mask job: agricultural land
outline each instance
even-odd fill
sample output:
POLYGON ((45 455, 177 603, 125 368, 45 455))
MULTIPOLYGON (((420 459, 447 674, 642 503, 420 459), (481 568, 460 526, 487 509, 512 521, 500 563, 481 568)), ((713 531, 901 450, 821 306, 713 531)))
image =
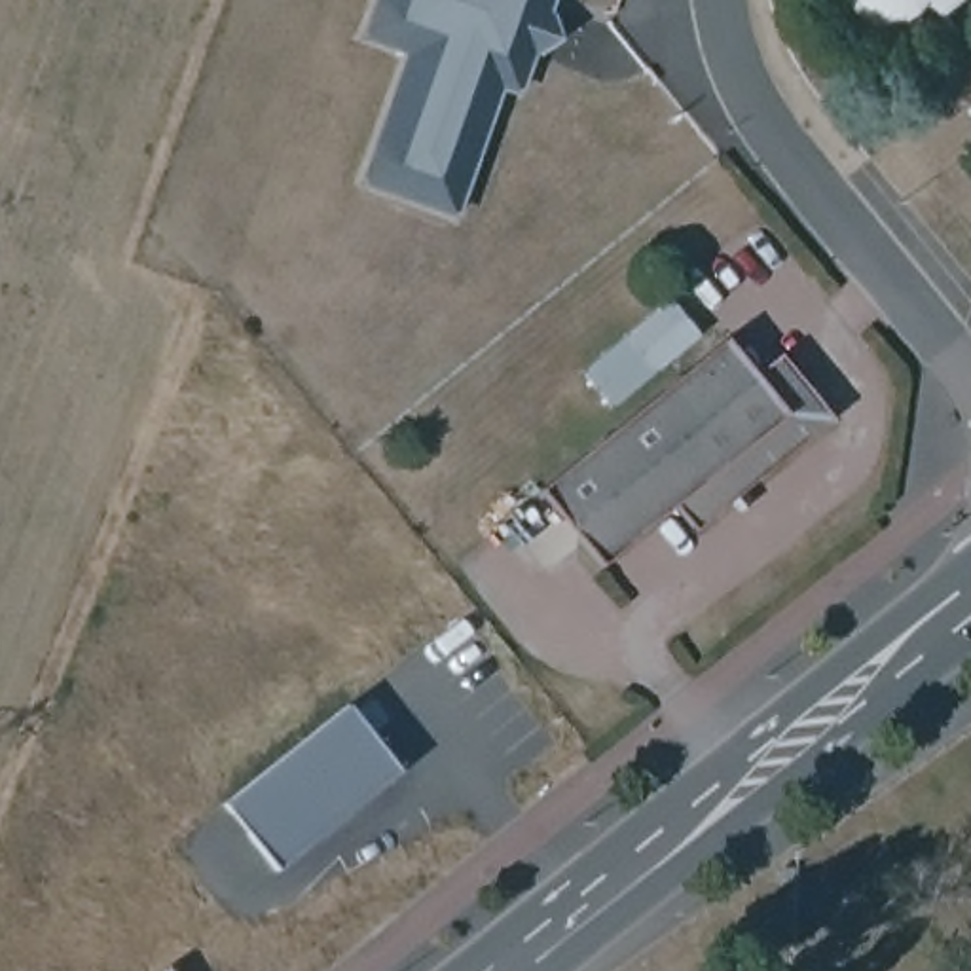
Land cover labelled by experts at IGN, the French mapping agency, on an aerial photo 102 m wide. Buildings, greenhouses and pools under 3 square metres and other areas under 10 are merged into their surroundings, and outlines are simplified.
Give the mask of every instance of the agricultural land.
POLYGON ((133 254, 167 156, 174 152, 171 144, 178 137, 224 0, 0 0, 0 698, 8 705, 34 705, 46 694, 57 694, 72 649, 87 626, 87 614, 106 584, 110 561, 125 558, 133 546, 129 508, 140 493, 152 440, 163 429, 163 413, 178 398, 178 387, 205 338, 205 292, 137 266, 133 254))

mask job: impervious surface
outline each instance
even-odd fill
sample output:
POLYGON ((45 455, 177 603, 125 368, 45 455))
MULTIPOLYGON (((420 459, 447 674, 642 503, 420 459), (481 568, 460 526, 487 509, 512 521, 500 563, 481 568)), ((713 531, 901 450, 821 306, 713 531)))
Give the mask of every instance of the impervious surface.
POLYGON ((660 368, 679 360, 698 341, 698 330, 713 326, 713 319, 728 330, 740 330, 740 341, 755 364, 774 360, 778 353, 797 360, 797 368, 819 387, 827 406, 842 413, 842 429, 834 436, 815 440, 812 448, 804 448, 804 440, 785 448, 747 486, 747 497, 732 501, 732 512, 721 516, 721 523, 705 527, 705 516, 683 512, 675 523, 660 523, 630 554, 622 554, 622 565, 622 573, 637 588, 633 603, 614 603, 599 588, 603 569, 603 558, 569 523, 573 501, 554 478, 539 478, 535 493, 516 486, 508 497, 501 497, 478 520, 482 554, 474 554, 463 569, 531 656, 569 675, 626 687, 633 690, 633 698, 652 705, 649 721, 626 740, 618 740, 607 755, 588 759, 584 770, 577 770, 558 789, 539 785, 520 808, 512 808, 508 778, 550 747, 550 736, 527 721, 516 694, 501 679, 497 660, 478 660, 470 622, 451 622, 436 641, 425 645, 417 660, 402 660, 383 683, 357 694, 357 705, 391 743, 391 751, 406 762, 402 778, 387 785, 372 804, 364 804, 326 842, 319 842, 307 857, 300 857, 296 869, 269 872, 224 812, 193 827, 186 838, 178 838, 174 850, 209 884, 224 914, 250 925, 262 925, 266 914, 281 910, 277 903, 292 903, 303 888, 319 895, 330 880, 349 880, 345 869, 353 869, 357 861, 372 861, 376 850, 387 853, 440 827, 478 831, 478 850, 467 865, 459 865, 436 888, 425 888, 421 899, 376 941, 368 941, 357 956, 341 952, 330 963, 330 971, 618 971, 630 960, 637 960, 649 944, 664 941, 671 929, 687 925, 698 910, 698 899, 690 899, 687 876, 702 865, 721 861, 724 872, 736 872, 743 880, 740 888, 751 899, 762 899, 789 884, 804 861, 800 842, 785 842, 770 831, 781 793, 804 789, 812 797, 823 797, 834 808, 834 815, 842 815, 869 797, 876 770, 869 759, 869 736, 876 724, 910 728, 914 743, 922 747, 937 743, 941 732, 952 743, 971 736, 971 281, 956 269, 944 247, 929 235, 929 228, 918 224, 918 216, 899 201, 888 178, 865 163, 865 152, 838 133, 831 114, 823 110, 815 76, 800 64, 793 46, 781 42, 774 23, 774 0, 622 0, 614 23, 607 27, 588 19, 577 30, 565 30, 561 11, 550 11, 550 23, 542 27, 550 34, 565 34, 565 46, 554 53, 561 68, 595 80, 622 80, 649 64, 671 87, 679 106, 694 114, 698 125, 713 137, 721 156, 728 148, 740 148, 842 269, 846 284, 834 288, 827 273, 808 273, 797 258, 785 258, 781 243, 770 231, 762 231, 747 231, 751 247, 743 247, 740 254, 717 250, 717 273, 709 273, 702 284, 683 277, 679 303, 652 311, 584 372, 588 387, 599 394, 599 406, 626 402, 660 368), (683 626, 698 618, 713 599, 721 599, 732 584, 762 569, 804 542, 804 535, 823 512, 831 512, 853 489, 861 489, 876 470, 880 474, 895 387, 876 349, 865 341, 865 326, 872 326, 872 334, 880 334, 910 372, 907 436, 895 486, 899 504, 891 512, 891 523, 846 565, 838 565, 827 580, 819 580, 804 599, 770 618, 759 633, 751 633, 740 649, 732 649, 721 664, 705 668, 702 675, 687 675, 668 652, 668 641, 683 633, 683 626), (607 804, 611 778, 630 762, 633 770, 656 774, 660 789, 652 789, 641 808, 614 808, 607 804))

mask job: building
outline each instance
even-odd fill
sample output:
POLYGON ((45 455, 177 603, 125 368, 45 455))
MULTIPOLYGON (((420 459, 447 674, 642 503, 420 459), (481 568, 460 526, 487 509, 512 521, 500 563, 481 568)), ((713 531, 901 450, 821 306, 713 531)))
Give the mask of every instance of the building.
POLYGON ((307 857, 319 842, 326 842, 364 804, 372 804, 387 785, 402 778, 406 762, 391 751, 391 743, 357 705, 341 705, 334 717, 326 717, 307 740, 300 740, 273 766, 250 778, 231 800, 224 800, 224 812, 269 872, 296 869, 300 857, 307 857))
POLYGON ((554 53, 565 46, 565 34, 550 34, 542 27, 550 23, 550 11, 561 11, 561 0, 379 0, 368 34, 376 42, 402 49, 406 72, 398 80, 387 125, 379 133, 368 182, 432 209, 463 205, 467 178, 478 159, 497 95, 520 95, 535 49, 554 53))
POLYGON ((861 11, 876 11, 884 19, 918 19, 922 11, 960 8, 963 0, 857 0, 861 11))
POLYGON ((573 459, 554 478, 573 501, 569 523, 603 558, 603 569, 622 565, 622 554, 630 554, 660 523, 675 523, 683 512, 705 516, 705 527, 721 523, 721 516, 732 512, 732 501, 747 497, 747 486, 785 448, 804 440, 804 448, 812 448, 815 440, 834 436, 842 429, 842 413, 827 406, 819 387, 797 368, 797 360, 778 353, 774 360, 755 364, 740 341, 728 353, 713 349, 709 357, 702 357, 694 364, 694 376, 671 387, 645 413, 645 421, 633 417, 618 425, 592 455, 573 459))

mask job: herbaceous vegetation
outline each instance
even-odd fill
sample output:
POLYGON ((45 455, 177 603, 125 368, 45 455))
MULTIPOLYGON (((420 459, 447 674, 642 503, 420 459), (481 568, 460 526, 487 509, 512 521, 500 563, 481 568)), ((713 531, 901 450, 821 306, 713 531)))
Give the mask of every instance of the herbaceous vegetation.
POLYGON ((683 626, 683 633, 690 633, 698 645, 724 637, 736 618, 743 618, 770 592, 778 592, 778 580, 766 580, 762 569, 732 584, 721 599, 713 599, 698 618, 683 626))
POLYGON ((561 0, 561 11, 565 30, 577 30, 588 19, 607 27, 614 23, 622 0, 561 0))
POLYGON ((671 929, 664 941, 649 944, 637 960, 630 960, 618 971, 702 971, 709 944, 732 922, 743 922, 743 929, 762 948, 781 948, 781 960, 789 960, 793 971, 971 971, 971 736, 952 743, 941 732, 937 743, 922 747, 907 766, 888 774, 876 770, 869 797, 842 815, 831 831, 815 834, 812 842, 800 842, 804 861, 789 884, 762 899, 751 899, 740 888, 717 903, 698 899, 698 910, 687 925, 671 929))
POLYGON ((956 269, 971 281, 971 76, 941 76, 933 68, 922 68, 910 83, 922 106, 937 114, 937 121, 925 133, 895 137, 865 152, 865 163, 888 178, 899 201, 918 216, 918 224, 929 228, 929 235, 944 247, 956 269))
POLYGON ((398 80, 406 72, 402 49, 376 42, 368 34, 379 0, 224 0, 178 137, 171 144, 174 152, 167 156, 133 254, 137 266, 205 292, 205 338, 178 387, 178 398, 163 413, 163 429, 152 440, 140 493, 129 508, 133 546, 125 558, 110 561, 106 584, 87 614, 87 626, 72 649, 57 694, 46 694, 34 705, 8 705, 0 698, 0 971, 330 971, 330 963, 341 952, 357 956, 368 941, 376 941, 421 899, 425 888, 436 888, 459 865, 467 865, 478 850, 478 831, 440 827, 387 853, 376 850, 372 861, 357 861, 353 869, 345 869, 349 880, 330 880, 319 895, 303 888, 292 903, 277 903, 281 910, 266 914, 262 925, 250 925, 224 914, 209 884, 174 850, 178 838, 186 838, 193 827, 224 812, 224 800, 231 800, 250 778, 273 766, 300 740, 307 740, 326 717, 334 717, 341 705, 357 705, 357 694, 383 683, 402 660, 417 660, 425 645, 436 641, 451 622, 470 622, 478 660, 497 660, 501 679, 516 694, 527 721, 550 736, 550 747, 508 778, 512 808, 520 808, 539 785, 558 789, 577 770, 584 770, 588 759, 584 743, 626 713, 626 687, 569 675, 531 656, 463 569, 474 554, 482 554, 478 520, 501 497, 508 497, 516 486, 535 493, 539 478, 554 478, 573 459, 592 455, 618 425, 633 417, 645 421, 645 413, 671 387, 694 376, 694 364, 702 357, 709 357, 713 349, 728 353, 740 341, 740 330, 728 330, 713 319, 713 326, 698 330, 698 341, 679 360, 660 368, 626 402, 599 406, 599 394, 588 387, 584 372, 652 311, 630 292, 630 258, 649 239, 656 239, 656 247, 679 250, 683 277, 702 284, 709 273, 717 273, 717 250, 740 254, 743 247, 751 247, 747 231, 762 231, 759 201, 740 186, 740 171, 721 163, 721 156, 713 137, 698 125, 694 114, 679 106, 671 87, 649 64, 622 80, 595 80, 561 68, 554 53, 535 49, 520 95, 497 95, 478 159, 467 178, 463 205, 432 209, 368 182, 379 133, 387 125, 398 80), (417 470, 394 467, 383 451, 383 440, 398 421, 421 413, 440 413, 448 421, 440 451, 417 470))
POLYGON ((819 539, 842 539, 869 512, 880 474, 876 470, 861 489, 853 489, 831 512, 823 512, 804 535, 804 542, 812 546, 819 539))
POLYGON ((967 27, 967 11, 960 8, 922 11, 918 19, 937 42, 944 42, 948 34, 967 27))

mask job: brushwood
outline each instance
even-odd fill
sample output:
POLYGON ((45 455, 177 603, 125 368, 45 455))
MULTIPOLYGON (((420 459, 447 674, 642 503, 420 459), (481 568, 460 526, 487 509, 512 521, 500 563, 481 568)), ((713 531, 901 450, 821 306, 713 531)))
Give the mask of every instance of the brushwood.
POLYGON ((827 273, 834 288, 846 284, 842 269, 740 148, 728 148, 721 156, 721 163, 740 171, 740 186, 759 201, 762 231, 770 231, 781 243, 785 258, 797 258, 808 273, 827 273))
POLYGON ((633 698, 633 690, 626 687, 626 713, 584 743, 588 759, 607 755, 618 740, 626 740, 649 721, 652 705, 633 698))
POLYGON ((865 341, 876 349, 895 387, 880 474, 869 512, 842 539, 819 539, 812 546, 804 542, 762 569, 766 580, 778 580, 778 592, 770 592, 743 618, 736 618, 724 637, 698 645, 690 633, 683 633, 668 641, 668 652, 687 675, 702 675, 705 668, 721 664, 732 649, 740 649, 751 633, 759 633, 770 618, 804 599, 819 580, 827 580, 838 565, 846 565, 891 523, 891 512, 899 504, 895 486, 907 436, 910 372, 880 334, 872 334, 872 326, 865 326, 865 341))
POLYGON ((603 569, 599 588, 614 603, 633 603, 637 588, 622 573, 622 565, 603 569))

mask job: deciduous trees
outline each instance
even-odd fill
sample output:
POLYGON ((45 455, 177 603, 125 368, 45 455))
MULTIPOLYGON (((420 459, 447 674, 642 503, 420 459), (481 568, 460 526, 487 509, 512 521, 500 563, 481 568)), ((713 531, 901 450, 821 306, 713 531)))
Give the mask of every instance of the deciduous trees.
POLYGON ((789 960, 781 960, 781 948, 762 948, 743 929, 743 922, 732 922, 709 944, 702 971, 793 971, 789 960))
POLYGON ((736 872, 724 872, 721 861, 702 865, 687 876, 690 899, 698 899, 717 903, 740 888, 743 880, 736 872))
POLYGON ((800 842, 812 842, 815 834, 831 831, 842 815, 834 815, 834 808, 823 797, 812 797, 804 789, 781 793, 770 831, 785 842, 800 842))
POLYGON ((876 11, 861 11, 857 0, 774 0, 774 23, 781 42, 793 46, 800 64, 815 76, 823 110, 831 114, 838 133, 865 152, 895 137, 925 133, 937 121, 937 114, 922 106, 910 83, 922 68, 933 68, 941 76, 971 76, 971 0, 963 0, 960 8, 967 11, 967 27, 948 34, 944 42, 937 42, 918 19, 884 19, 876 11))
POLYGON ((888 774, 907 766, 922 747, 914 743, 910 728, 876 724, 869 736, 869 759, 876 770, 888 774))
POLYGON ((607 804, 614 808, 641 808, 652 789, 660 789, 656 774, 633 770, 630 762, 611 778, 607 804))
POLYGON ((683 277, 679 250, 656 247, 656 239, 649 239, 630 258, 630 292, 652 311, 679 303, 683 277))
POLYGON ((448 421, 440 413, 421 413, 398 421, 383 440, 383 451, 394 467, 417 470, 440 451, 448 421))

